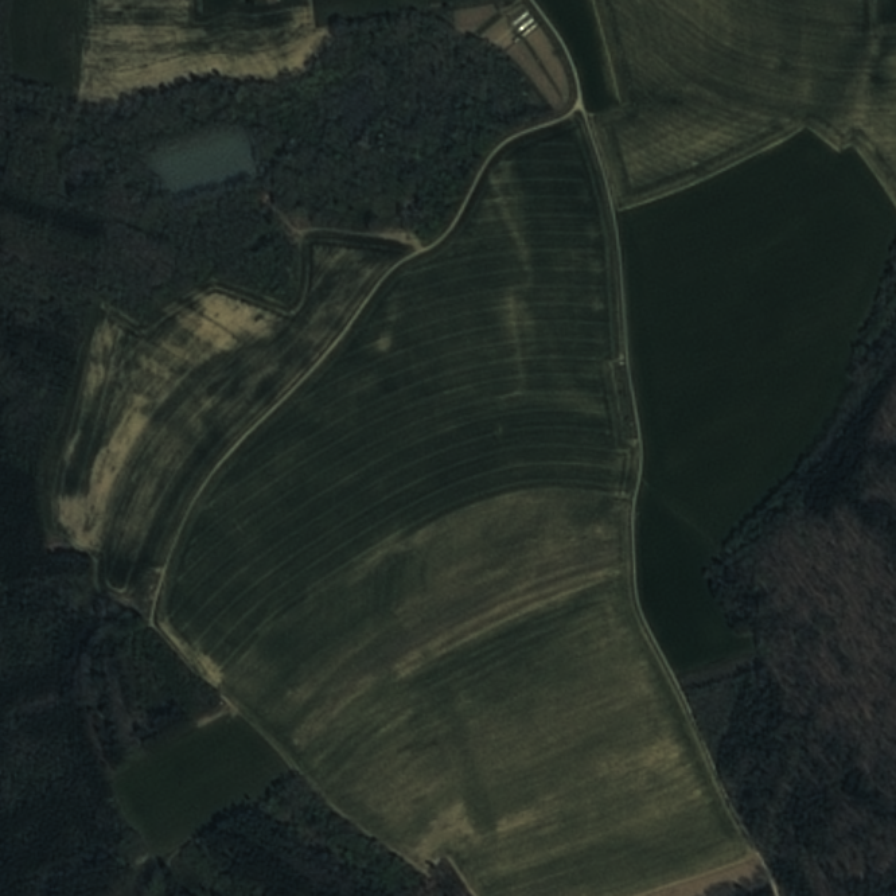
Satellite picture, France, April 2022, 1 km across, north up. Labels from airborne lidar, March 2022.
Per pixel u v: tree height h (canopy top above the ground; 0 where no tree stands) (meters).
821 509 23
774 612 28
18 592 12
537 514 0
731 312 0
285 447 0
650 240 0
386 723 0
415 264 0
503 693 0
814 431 0
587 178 0
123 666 16
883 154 0
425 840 0
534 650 0
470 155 14
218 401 0
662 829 0
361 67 17
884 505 16
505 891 0
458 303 0
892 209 0
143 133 23
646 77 0
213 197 22
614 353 0
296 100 21
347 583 0
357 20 7
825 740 23
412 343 0
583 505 0
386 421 0
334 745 0
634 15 0
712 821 0
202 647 0
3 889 33
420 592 0
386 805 0
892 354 20
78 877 22
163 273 25
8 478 17
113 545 0
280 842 30
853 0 0
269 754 0
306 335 0
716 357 0
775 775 26
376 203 22
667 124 0
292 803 13
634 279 0
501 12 0
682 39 0
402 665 0
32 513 16
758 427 0
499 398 0
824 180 0
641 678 0
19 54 0
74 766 21
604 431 0
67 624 22
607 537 0
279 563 0
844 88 0
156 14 0
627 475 0
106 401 0
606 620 0
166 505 0
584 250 0
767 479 0
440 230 16
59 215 13
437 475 0
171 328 0
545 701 0
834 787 24
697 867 0
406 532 0
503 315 0
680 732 0
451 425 0
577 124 0
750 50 0
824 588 25
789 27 0
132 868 24
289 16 0
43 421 15
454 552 0
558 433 0
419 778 0
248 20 0
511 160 0
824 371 0
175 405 0
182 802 0
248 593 0
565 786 0
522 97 10
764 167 0
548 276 0
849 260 0
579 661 0
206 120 19
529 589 0
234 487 0
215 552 0
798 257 0
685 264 0
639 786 0
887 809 17
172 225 21
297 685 0
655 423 0
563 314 0
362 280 0
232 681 0
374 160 26
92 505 0
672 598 0
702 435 0
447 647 0
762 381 0
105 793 21
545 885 0
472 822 0
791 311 0
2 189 22
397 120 23
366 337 0
